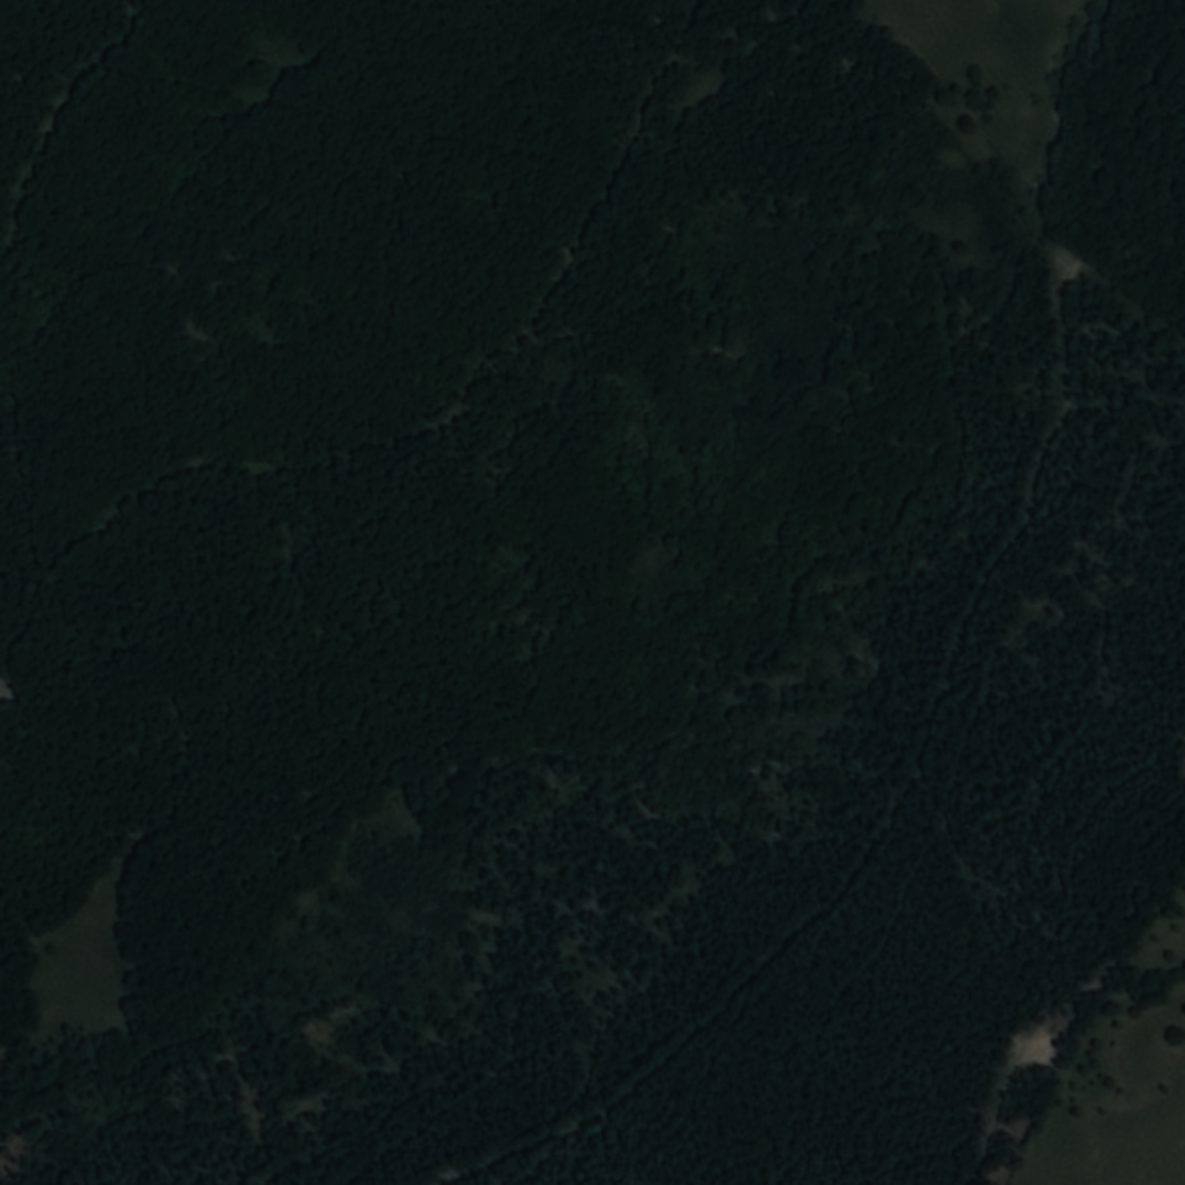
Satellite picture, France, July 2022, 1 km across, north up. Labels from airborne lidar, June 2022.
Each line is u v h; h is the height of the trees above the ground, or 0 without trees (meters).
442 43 12
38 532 16
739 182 15
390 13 14
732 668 18
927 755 14
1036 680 7
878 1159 12
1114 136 13
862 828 13
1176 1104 0
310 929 10
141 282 11
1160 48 16
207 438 16
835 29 14
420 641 18
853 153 12
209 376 10
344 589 15
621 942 14
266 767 16
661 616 9
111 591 16
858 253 8
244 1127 18
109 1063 17
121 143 16
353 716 13
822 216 14
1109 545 10
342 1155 11
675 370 9
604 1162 15
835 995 13
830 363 12
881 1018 11
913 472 14
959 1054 16
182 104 14
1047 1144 0
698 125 10
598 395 12
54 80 15
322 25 13
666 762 11
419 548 14
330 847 16
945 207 7
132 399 11
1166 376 22
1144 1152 0
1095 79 12
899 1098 10
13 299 12
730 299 12
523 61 14
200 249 10
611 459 11
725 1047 12
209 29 18
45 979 0
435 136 10
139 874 23
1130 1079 0
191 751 13
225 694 17
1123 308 9
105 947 0
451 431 16
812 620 12
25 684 17
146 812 15
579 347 10
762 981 15
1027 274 14
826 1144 13
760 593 11
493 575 15
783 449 11
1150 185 15
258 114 13
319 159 13
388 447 9
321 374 14
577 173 15
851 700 7
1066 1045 13
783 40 12
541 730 17
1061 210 14
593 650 15
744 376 11
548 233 14
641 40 14
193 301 13
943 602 8
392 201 12
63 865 19
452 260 16
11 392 15
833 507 14
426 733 17
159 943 18
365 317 10
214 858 17
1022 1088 19
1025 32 0
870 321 14
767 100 13
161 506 17
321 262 15
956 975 10
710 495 13
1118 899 11
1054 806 16
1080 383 8
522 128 13
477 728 18
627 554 15
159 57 14
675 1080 13
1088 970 13
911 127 9
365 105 15
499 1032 7
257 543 18
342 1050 6
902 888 17
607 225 17
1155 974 8
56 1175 18
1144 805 11
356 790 18
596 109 14
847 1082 12
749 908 16
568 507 16
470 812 12
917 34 0
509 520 16
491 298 16
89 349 15
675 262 12
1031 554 8
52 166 16
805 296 7
